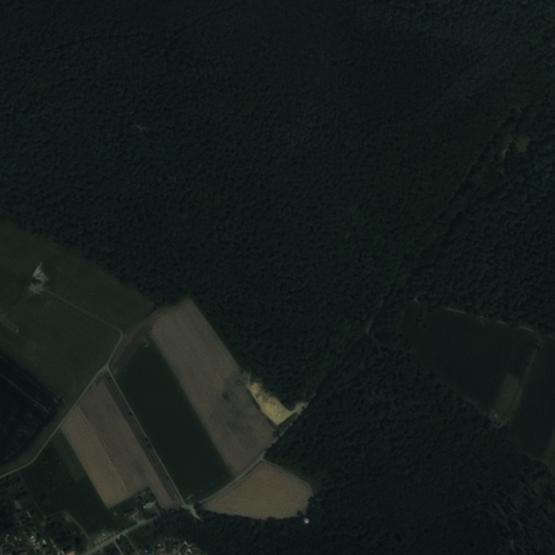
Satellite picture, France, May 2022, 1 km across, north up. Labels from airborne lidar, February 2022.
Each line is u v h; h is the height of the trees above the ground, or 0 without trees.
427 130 22
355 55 16
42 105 28
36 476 0
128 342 0
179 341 0
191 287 19
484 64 26
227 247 29
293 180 28
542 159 32
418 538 15
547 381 0
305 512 0
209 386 0
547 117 25
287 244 26
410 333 0
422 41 18
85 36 17
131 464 0
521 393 0
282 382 20
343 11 17
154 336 0
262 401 0
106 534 0
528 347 0
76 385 0
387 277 24
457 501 18
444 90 26
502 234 30
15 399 0
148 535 0
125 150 28
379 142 22
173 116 27
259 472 0
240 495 0
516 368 0
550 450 0
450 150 22
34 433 0
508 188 27
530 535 31
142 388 0
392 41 18
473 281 33
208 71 25
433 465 13
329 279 30
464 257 34
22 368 0
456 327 0
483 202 30
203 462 0
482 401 0
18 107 15
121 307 0
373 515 17
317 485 0
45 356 0
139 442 0
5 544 0
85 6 15
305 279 28
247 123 27
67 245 21
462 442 11
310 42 13
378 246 27
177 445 0
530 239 27
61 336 0
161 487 0
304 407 0
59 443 0
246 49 15
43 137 21
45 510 0
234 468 0
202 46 23
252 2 17
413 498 17
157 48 22
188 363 0
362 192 23
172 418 0
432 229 29
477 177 26
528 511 29
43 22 18
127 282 16
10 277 0
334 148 23
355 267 29
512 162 13
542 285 27
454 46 17
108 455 0
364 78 20
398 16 27
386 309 20
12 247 0
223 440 0
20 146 28
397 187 24
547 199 29
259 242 29
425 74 17
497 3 35
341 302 27
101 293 0
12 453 0
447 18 23
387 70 17
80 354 0
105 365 0
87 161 32
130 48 22
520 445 0
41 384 0
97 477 0
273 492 0
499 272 31
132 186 30
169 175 26
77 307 0
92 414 0
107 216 31
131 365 0
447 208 30
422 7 33
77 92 25
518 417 0
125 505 0
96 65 30
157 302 17
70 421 0
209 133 27
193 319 0
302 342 30
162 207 30
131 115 25
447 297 29
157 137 26
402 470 16
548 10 32
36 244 0
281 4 16
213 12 19
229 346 0
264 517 0
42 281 0
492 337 0
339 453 17
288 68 21
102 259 27
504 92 20
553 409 0
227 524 18
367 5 23
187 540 18
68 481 0
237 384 0
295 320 30
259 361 19
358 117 21
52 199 15
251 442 0
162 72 21
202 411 0
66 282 0
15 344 0
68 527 0
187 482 0
